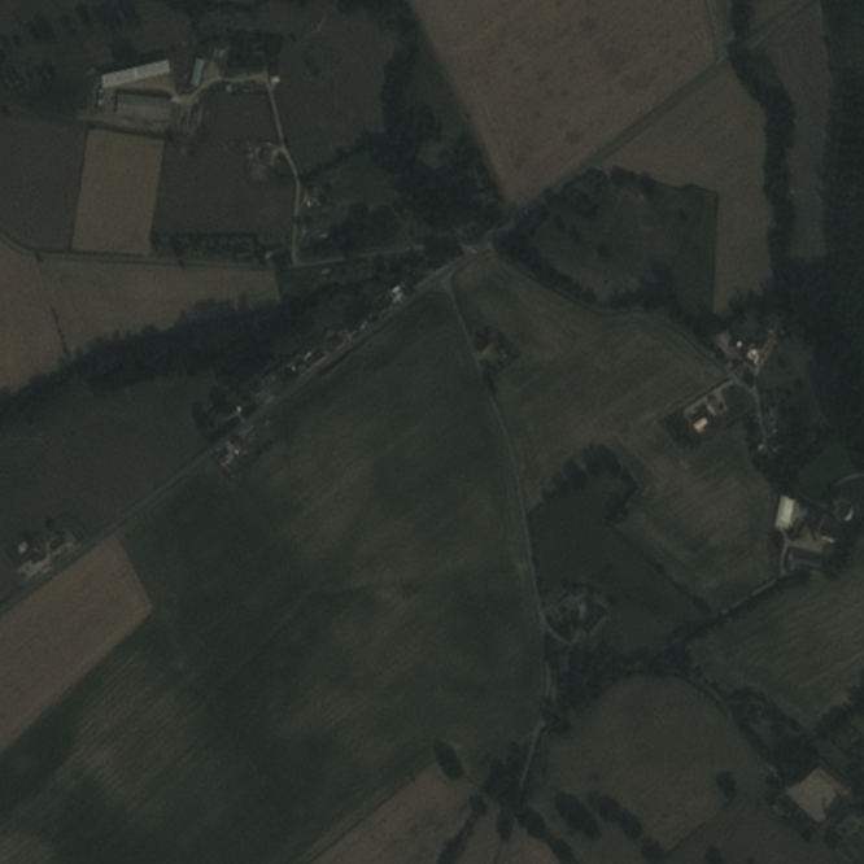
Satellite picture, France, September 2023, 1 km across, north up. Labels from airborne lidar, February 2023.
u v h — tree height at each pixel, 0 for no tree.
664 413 0
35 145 0
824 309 19
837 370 17
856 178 12
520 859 0
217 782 0
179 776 0
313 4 0
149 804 0
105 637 0
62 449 0
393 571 0
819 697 0
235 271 0
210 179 0
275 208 0
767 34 0
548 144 0
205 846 0
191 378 0
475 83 0
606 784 0
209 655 0
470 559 0
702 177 0
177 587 0
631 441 0
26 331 0
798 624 0
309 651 0
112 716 0
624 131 0
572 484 14
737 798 0
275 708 0
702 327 14
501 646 0
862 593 0
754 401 0
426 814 0
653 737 0
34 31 16
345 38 0
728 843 0
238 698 0
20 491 0
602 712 0
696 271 0
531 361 0
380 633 0
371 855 0
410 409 0
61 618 0
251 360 22
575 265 0
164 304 0
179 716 0
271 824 0
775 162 17
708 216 0
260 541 0
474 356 0
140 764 0
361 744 0
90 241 0
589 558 0
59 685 0
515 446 0
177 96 0
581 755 0
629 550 0
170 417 0
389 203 0
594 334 0
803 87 0
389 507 0
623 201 0
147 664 0
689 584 0
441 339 0
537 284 0
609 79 0
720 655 0
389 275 8
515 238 6
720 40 0
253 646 0
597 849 0
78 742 0
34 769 0
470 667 0
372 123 0
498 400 0
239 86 0
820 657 0
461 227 10
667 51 0
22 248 0
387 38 0
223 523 0
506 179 0
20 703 0
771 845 0
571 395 0
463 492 0
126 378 11
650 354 0
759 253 0
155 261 0
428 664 0
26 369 0
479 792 0
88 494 0
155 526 0
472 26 0
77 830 0
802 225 0
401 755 0
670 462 0
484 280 0
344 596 0
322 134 0
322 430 0
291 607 0
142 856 0
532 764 7
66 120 0
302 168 0
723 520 0
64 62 0
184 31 0
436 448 0
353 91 0
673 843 0
